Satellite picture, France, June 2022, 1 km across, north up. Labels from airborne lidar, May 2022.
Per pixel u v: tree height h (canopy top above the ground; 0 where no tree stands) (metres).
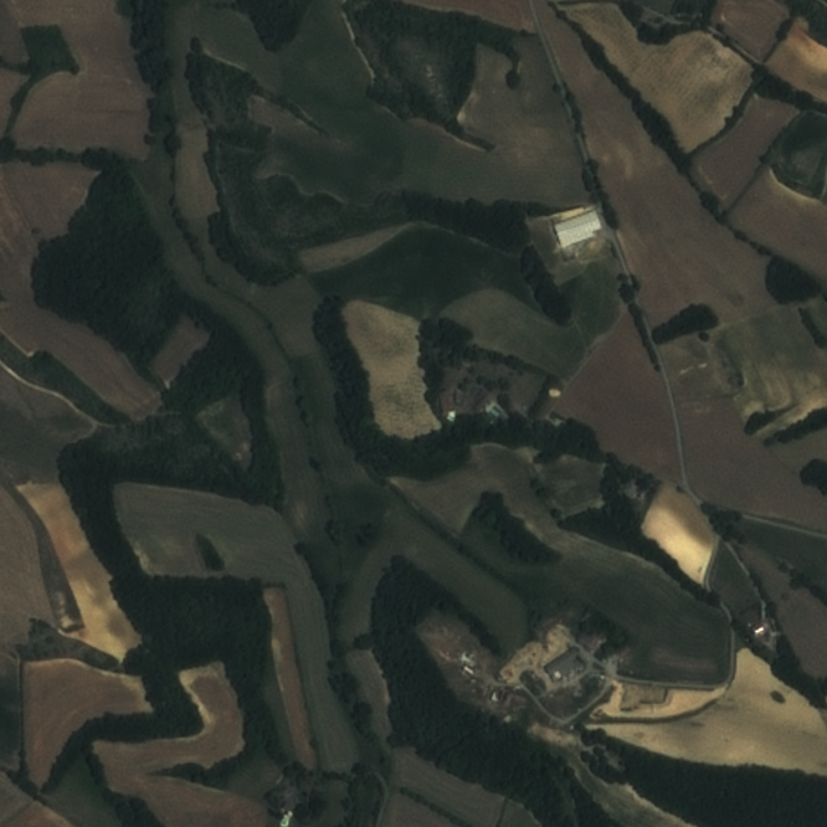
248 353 22
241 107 8
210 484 14
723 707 0
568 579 0
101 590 0
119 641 0
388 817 0
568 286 0
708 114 0
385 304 0
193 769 14
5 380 0
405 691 14
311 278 0
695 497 0
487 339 0
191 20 0
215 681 0
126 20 0
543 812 11
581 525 14
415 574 17
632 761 11
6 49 0
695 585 8
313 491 0
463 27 7
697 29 11
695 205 0
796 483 0
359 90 0
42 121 0
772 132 0
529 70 0
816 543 0
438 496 0
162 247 17
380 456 19
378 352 0
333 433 0
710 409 0
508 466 0
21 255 0
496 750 19
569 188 0
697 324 19
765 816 15
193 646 11
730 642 0
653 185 0
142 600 9
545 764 7
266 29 20
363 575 0
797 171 0
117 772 0
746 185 0
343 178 0
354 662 0
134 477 12
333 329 20
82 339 0
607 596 0
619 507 15
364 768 18
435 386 16
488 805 0
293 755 0
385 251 0
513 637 0
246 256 13
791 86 10
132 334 17
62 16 0
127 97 0
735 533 13
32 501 0
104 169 17
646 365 0
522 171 0
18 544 0
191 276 0
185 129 0
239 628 14
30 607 0
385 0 14
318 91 0
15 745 0
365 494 0
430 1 0
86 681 0
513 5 0
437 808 9
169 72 25
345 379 18
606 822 11
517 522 14
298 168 0
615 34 0
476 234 17
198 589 15
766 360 0
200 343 0
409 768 0
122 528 9
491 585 0
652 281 0
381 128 0
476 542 0
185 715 6
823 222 0
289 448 0
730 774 17
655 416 0
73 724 0
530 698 0
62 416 0
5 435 0
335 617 12
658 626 0
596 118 0
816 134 0
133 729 18
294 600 0
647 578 0
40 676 0
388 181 0
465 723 20
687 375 0
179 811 0
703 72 0
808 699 10
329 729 0
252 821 0
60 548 0
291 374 0
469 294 0
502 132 0
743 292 0
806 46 0
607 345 0
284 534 0
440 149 0
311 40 0
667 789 15
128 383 0
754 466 0
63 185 0
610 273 0
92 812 0
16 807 0
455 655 0
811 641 0
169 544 0
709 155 0
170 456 11
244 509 0
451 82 6
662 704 0
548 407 0
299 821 12
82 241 16
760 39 0
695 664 0
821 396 0
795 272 20
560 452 13
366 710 17
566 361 0
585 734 8
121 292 18
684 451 0
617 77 15
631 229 0
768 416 12
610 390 0
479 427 19
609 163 0
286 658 0
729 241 0
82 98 0
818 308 0
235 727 0
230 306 0
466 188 0
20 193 0
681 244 0
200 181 0
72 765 15
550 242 0
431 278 0
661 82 0
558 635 0
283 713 0
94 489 24
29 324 0
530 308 0
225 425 0
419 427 0
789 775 18
